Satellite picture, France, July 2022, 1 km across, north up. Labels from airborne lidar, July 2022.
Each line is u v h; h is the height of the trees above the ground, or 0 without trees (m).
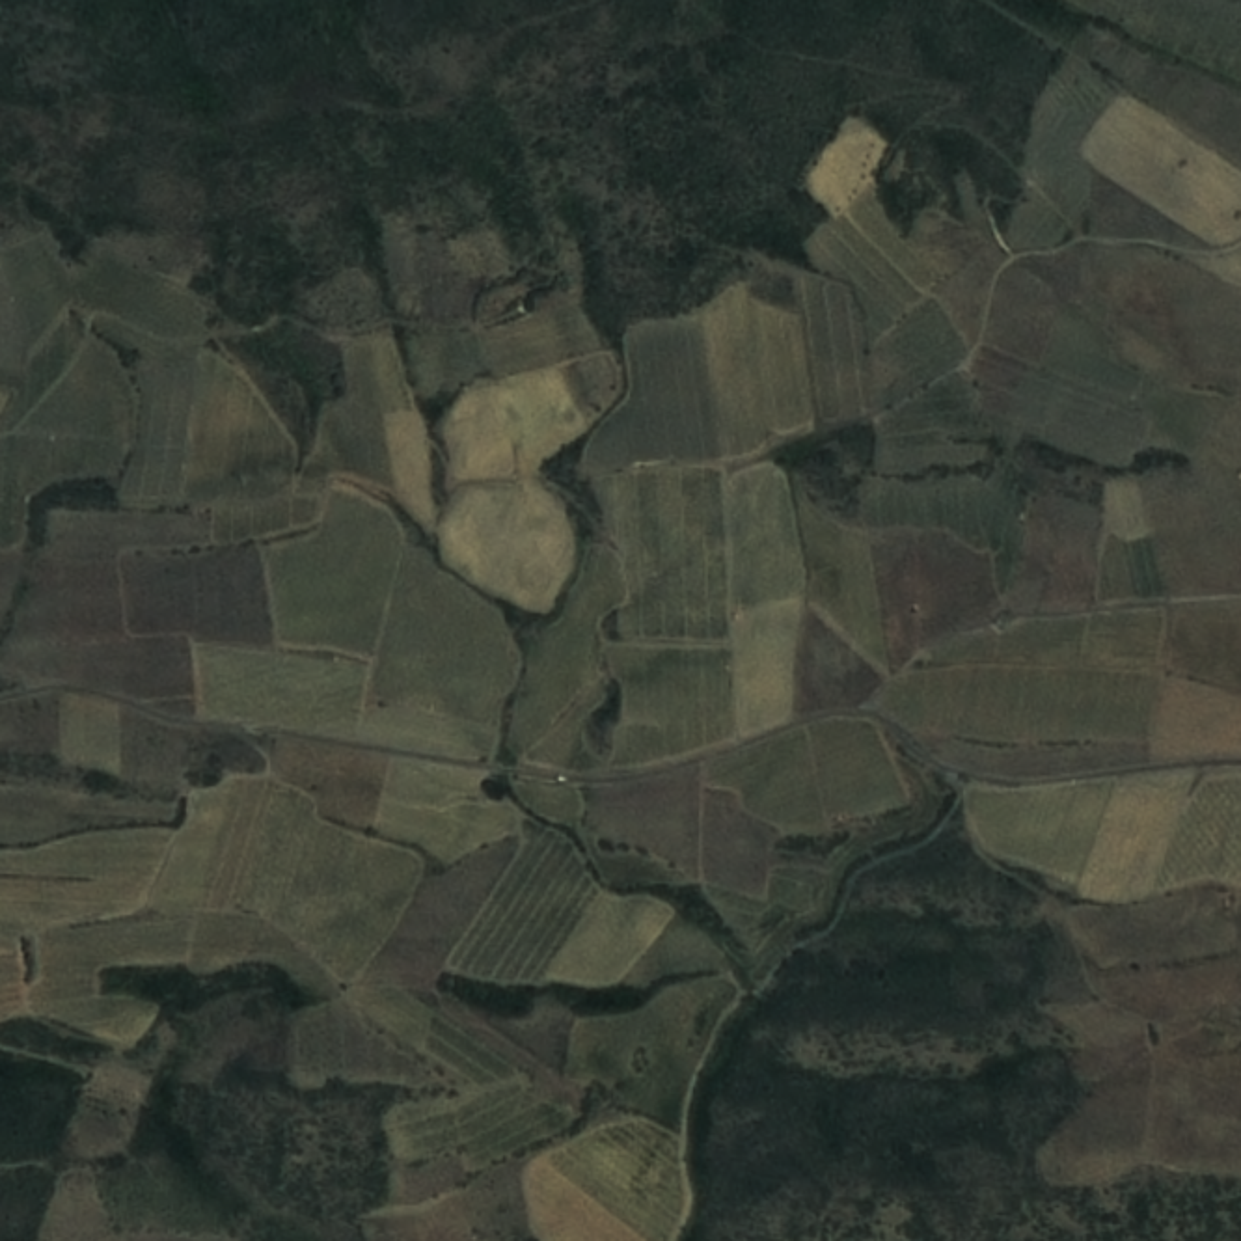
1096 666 0
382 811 0
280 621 0
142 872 0
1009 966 0
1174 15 0
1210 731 0
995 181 0
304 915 0
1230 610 0
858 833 0
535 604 0
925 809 0
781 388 0
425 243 0
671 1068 0
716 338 0
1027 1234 0
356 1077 0
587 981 0
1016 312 0
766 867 0
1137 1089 0
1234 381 0
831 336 0
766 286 0
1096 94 0
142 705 0
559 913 0
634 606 0
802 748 0
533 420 0
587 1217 0
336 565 0
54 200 0
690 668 0
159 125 0
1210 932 0
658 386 0
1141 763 0
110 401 0
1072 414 0
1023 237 0
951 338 0
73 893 0
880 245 0
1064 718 0
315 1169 0
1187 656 0
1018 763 0
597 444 0
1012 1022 0
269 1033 0
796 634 0
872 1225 0
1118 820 0
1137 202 0
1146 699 0
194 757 0
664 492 0
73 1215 0
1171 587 0
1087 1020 0
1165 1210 0
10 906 0
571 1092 0
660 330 0
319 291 0
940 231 0
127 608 0
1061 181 0
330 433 0
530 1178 0
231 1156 0
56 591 0
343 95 0
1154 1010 0
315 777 0
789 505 0
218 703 0
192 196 0
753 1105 0
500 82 0
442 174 7
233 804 0
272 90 0
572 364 0
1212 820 0
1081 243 0
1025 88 0
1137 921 0
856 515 0
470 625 0
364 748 0
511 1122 0
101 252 0
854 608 0
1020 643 0
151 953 0
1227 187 0
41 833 0
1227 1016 0
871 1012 0
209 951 0
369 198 0
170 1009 9
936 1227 0
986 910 0
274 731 0
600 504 0
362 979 0
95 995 0
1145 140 0
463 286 0
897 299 0
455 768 0
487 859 0
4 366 0
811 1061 0
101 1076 0
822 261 0
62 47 0
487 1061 0
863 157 0
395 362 0
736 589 0
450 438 0
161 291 0
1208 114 0
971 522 0
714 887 0
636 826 0
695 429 0
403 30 0
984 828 0
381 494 0
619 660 0
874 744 0
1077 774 0
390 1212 0
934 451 0
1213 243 0
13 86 0
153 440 0
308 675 0
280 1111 0
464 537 0
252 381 0
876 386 0
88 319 0
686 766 0
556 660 0
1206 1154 0
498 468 0
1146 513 0
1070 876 0
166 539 0
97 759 0
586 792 0
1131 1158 0
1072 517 0
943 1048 0
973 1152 0
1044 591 0
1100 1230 0
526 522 0
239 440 0
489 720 0
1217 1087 0
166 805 0
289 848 0
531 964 0
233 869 0
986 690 0
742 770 0
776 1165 0
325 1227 0
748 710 0
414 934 0
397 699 0
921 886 0
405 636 0
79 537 0
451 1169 0
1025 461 0
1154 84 0
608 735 0
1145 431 0
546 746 0
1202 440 0
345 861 0
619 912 0
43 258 0
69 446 0
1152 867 0
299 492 0
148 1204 0
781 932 0
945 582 0
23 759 0
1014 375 0
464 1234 0
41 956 0
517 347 0
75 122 0
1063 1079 0
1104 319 0
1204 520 0
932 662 0
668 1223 0
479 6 0
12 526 0
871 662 0
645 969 0
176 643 0
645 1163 0
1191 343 0
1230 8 0
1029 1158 0
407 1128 0
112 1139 0
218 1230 0
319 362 0
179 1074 0
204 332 0
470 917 0
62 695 0
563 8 0
